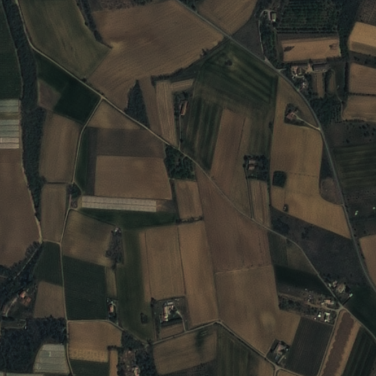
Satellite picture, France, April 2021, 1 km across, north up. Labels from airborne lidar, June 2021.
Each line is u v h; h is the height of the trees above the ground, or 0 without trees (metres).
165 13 0
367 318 0
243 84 0
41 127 9
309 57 0
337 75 0
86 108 0
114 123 0
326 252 0
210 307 0
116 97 0
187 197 0
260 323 0
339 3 9
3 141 0
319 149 0
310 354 0
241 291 0
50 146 0
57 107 0
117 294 0
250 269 0
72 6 0
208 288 0
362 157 0
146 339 0
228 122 0
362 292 0
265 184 0
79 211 0
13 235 0
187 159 9
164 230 0
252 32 0
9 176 0
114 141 0
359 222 9
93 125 0
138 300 0
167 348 0
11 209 0
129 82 0
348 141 9
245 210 0
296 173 0
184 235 0
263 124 0
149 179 0
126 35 0
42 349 0
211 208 0
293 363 0
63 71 0
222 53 0
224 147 0
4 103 0
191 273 0
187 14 0
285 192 0
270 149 0
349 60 9
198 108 0
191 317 0
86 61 0
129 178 0
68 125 0
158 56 0
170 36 0
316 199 0
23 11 0
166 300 0
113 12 0
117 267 0
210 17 0
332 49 0
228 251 0
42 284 0
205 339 0
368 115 0
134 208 0
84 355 0
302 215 0
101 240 0
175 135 0
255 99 0
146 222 0
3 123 0
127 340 11
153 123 0
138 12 0
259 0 6
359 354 0
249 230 0
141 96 8
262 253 0
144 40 0
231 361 0
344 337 0
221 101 0
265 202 0
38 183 11
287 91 0
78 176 0
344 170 0
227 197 0
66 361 0
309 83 11
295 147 0
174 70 0
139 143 0
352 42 0
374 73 0
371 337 0
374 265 0
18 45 14
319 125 0
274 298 0
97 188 0
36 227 0
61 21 0
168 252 0
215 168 0
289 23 7
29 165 14
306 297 0
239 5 0
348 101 0
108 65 0
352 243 0
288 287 0
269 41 8
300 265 0
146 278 0
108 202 0
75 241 0
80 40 0
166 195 0
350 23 12
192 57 0
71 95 0
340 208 0
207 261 0
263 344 0
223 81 0
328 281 14
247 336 0
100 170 0
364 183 0
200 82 0
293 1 7
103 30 0
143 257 0
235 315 0
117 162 0
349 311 0
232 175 0
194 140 0
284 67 8
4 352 13
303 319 0
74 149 0
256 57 0
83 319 0
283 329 0
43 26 0
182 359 0
